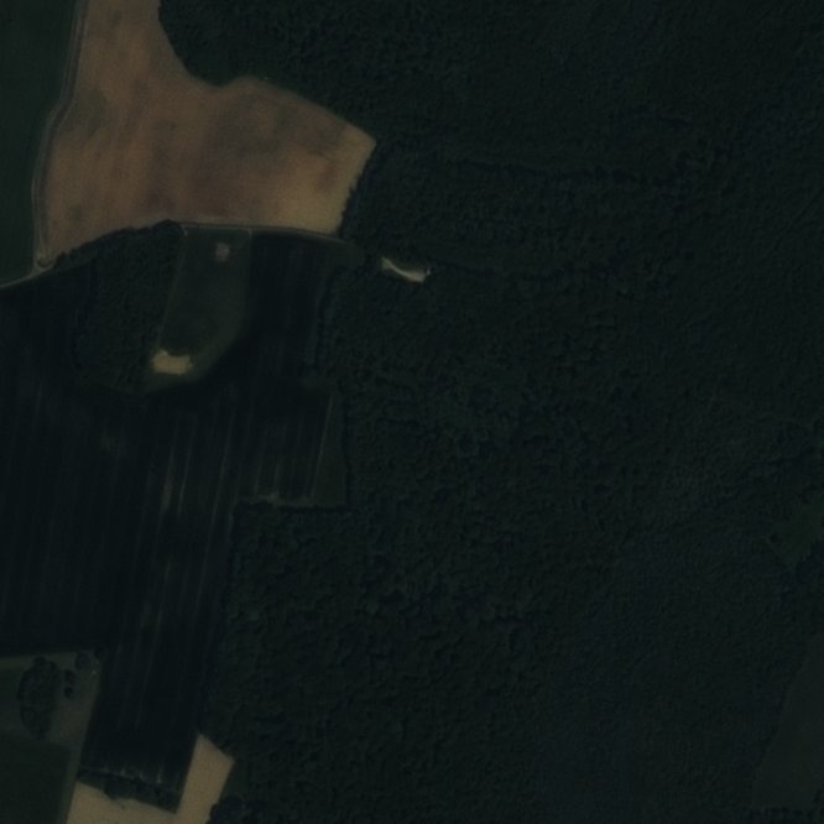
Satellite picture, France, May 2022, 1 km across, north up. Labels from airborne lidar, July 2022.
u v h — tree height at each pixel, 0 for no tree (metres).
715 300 14
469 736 19
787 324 14
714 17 11
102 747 0
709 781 8
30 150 0
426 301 20
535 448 31
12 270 0
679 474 11
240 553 20
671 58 13
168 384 0
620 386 23
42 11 0
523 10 24
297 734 31
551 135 16
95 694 0
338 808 25
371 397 19
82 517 0
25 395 0
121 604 0
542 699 13
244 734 26
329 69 24
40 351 0
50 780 0
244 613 26
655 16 11
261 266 0
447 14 21
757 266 9
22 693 14
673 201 25
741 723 12
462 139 25
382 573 28
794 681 12
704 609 12
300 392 0
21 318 0
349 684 28
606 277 30
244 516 24
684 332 16
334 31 19
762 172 14
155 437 0
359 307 22
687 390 17
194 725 0
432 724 21
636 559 16
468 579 23
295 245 0
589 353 24
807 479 16
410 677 14
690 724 7
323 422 0
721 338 15
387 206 20
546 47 9
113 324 19
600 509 23
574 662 11
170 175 0
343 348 20
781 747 0
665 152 29
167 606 0
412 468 17
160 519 0
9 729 0
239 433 0
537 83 17
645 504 21
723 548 16
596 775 13
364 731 24
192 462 0
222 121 0
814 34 21
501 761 14
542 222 27
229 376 0
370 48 15
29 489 0
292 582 29
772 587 17
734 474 11
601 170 6
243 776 0
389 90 27
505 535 22
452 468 21
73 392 0
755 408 13
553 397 26
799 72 19
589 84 15
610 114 15
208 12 25
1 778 0
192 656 0
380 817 25
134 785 11
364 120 17
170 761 0
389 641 28
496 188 20
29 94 0
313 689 30
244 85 0
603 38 14
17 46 0
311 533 28
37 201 0
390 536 25
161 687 0
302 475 0
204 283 0
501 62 21
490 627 30
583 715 13
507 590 25
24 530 0
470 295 25
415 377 12
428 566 31
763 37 10
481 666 24
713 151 12
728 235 11
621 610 13
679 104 13
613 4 16
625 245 25
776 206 10
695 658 10
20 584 0
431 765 20
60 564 0
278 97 0
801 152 14
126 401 0
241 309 0
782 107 17
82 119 0
